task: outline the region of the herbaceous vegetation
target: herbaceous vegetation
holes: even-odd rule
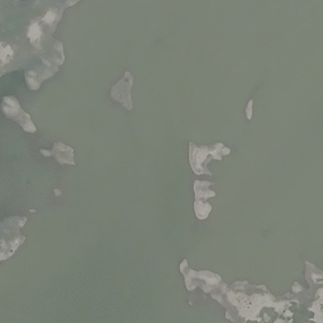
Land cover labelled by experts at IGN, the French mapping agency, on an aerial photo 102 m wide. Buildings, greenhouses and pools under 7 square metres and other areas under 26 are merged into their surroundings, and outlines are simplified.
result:
[[[313,312],[302,307],[300,300],[290,299],[290,312],[293,313],[291,317],[285,317],[270,307],[260,310],[260,318],[264,317],[264,314],[270,317],[266,323],[314,323]]]
[[[44,14],[34,3],[14,11],[9,0],[0,0],[0,42],[4,47],[10,45],[13,49],[14,62],[38,53],[39,50],[30,42],[28,30],[38,16]]]

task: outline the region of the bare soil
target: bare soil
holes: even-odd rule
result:
[[[230,149],[225,145],[216,144],[209,148],[189,146],[189,163],[194,174],[211,174],[207,168],[208,161],[221,159],[223,155],[230,154]]]
[[[25,241],[25,237],[20,235],[20,228],[25,225],[26,218],[14,216],[0,222],[0,260],[13,256],[19,245]]]
[[[62,164],[74,164],[73,149],[58,143],[53,149],[42,150],[42,154],[54,156]]]
[[[194,211],[198,218],[204,220],[211,211],[208,198],[214,196],[214,192],[209,189],[209,182],[196,180],[193,185]]]
[[[270,317],[264,314],[264,317],[260,318],[260,310],[270,307],[285,317],[291,317],[293,313],[290,312],[290,299],[300,300],[302,307],[313,312],[314,323],[323,323],[323,271],[312,262],[305,261],[305,274],[302,278],[295,281],[288,293],[281,297],[273,297],[265,285],[254,285],[249,281],[226,284],[220,276],[211,271],[192,270],[188,262],[183,261],[180,264],[180,273],[184,276],[187,289],[202,288],[211,294],[213,299],[226,308],[226,318],[232,323],[266,323]]]
[[[20,109],[19,103],[13,98],[6,97],[5,114],[18,122],[25,131],[34,131],[35,126],[30,115]]]
[[[125,109],[131,110],[132,76],[130,72],[125,72],[112,87],[111,97],[120,102]]]
[[[37,90],[44,79],[58,72],[64,62],[64,52],[59,35],[54,29],[57,21],[62,18],[63,11],[81,0],[9,0],[14,11],[34,3],[44,14],[38,16],[28,30],[30,42],[39,50],[38,53],[14,62],[13,49],[10,45],[4,47],[0,42],[0,76],[6,72],[23,69],[30,88]]]

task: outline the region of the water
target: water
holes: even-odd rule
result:
[[[81,0],[63,11],[62,18],[57,21],[54,29],[59,35],[64,52],[64,62],[58,72],[44,79],[37,90],[30,88],[23,69],[6,72],[0,76],[0,222],[14,216],[26,218],[25,225],[20,228],[20,235],[25,237],[25,241],[19,245],[13,256],[0,260],[0,323],[232,323],[226,318],[226,308],[213,299],[211,294],[202,288],[187,289],[184,276],[180,273],[180,264],[183,261],[188,262],[192,270],[211,271],[220,276],[226,284],[249,281],[254,285],[265,285],[273,297],[281,297],[288,293],[295,281],[302,278],[305,274],[305,261],[312,262],[323,271],[323,0]],[[125,109],[120,102],[111,97],[112,87],[125,72],[130,72],[132,76],[131,110]],[[13,98],[19,103],[20,109],[30,115],[35,126],[34,131],[25,131],[18,122],[5,114],[6,97]],[[42,154],[42,150],[53,149],[58,143],[73,149],[74,164],[62,164],[54,156]],[[230,149],[230,154],[223,155],[221,159],[208,161],[207,168],[211,174],[194,174],[189,163],[189,146],[209,148],[216,144],[225,145]],[[211,211],[204,220],[198,218],[194,211],[193,185],[196,180],[209,182],[209,189],[214,192],[214,196],[208,198]]]

